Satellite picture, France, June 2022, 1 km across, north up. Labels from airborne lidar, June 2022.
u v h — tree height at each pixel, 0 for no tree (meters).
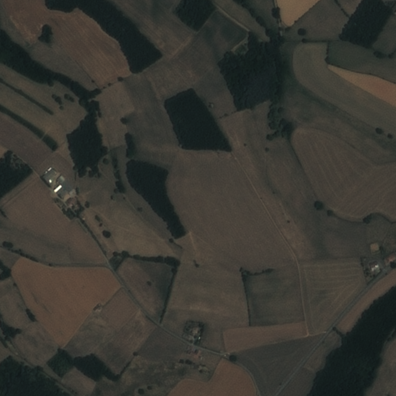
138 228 0
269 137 17
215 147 14
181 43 0
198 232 0
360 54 0
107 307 0
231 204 0
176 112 14
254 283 0
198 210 0
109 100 0
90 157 17
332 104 0
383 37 0
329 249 0
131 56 17
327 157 0
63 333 0
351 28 21
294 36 0
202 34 0
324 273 0
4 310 0
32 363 0
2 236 0
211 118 13
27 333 0
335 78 0
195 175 0
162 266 0
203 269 0
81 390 0
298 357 0
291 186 0
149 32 0
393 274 0
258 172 0
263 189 0
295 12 0
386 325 12
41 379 15
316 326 0
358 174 0
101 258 0
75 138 19
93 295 0
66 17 0
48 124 0
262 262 0
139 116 0
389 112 0
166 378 0
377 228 0
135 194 0
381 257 0
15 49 23
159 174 13
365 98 0
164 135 0
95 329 0
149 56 18
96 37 0
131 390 0
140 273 0
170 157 0
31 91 0
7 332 15
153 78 0
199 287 0
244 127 0
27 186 0
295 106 0
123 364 0
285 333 0
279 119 13
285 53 0
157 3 0
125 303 0
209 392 0
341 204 0
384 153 0
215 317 0
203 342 0
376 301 12
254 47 12
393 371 0
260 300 0
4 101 0
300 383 0
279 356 0
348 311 0
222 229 0
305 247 0
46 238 0
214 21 0
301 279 0
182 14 16
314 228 0
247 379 0
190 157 0
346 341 12
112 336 0
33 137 0
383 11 19
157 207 18
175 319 0
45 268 0
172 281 5
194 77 0
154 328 0
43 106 6
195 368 0
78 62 0
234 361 13
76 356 0
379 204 0
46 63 0
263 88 21
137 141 0
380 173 0
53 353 0
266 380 0
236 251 0
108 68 0
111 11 19
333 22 0
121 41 16
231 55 7
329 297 0
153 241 0
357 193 0
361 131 0
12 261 0
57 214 0
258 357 0
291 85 0
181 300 0
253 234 0
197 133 16
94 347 0
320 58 0
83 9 16
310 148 0
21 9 0
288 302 0
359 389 18
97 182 0
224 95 0
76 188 6
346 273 0
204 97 0
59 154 0
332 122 0
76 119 0
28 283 0
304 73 0
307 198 0
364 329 10
